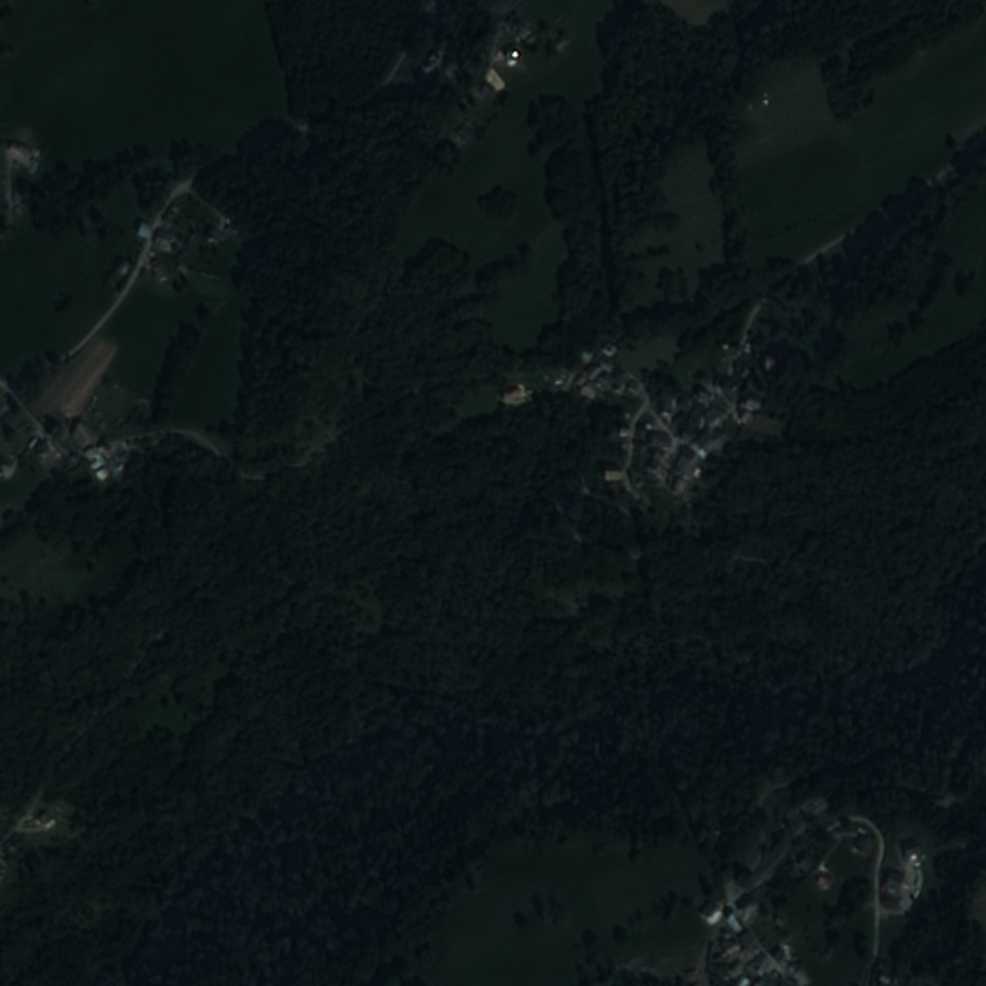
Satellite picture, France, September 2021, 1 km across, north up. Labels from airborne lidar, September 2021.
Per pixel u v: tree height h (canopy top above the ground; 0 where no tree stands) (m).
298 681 25
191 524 30
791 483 20
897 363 0
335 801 33
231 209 12
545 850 19
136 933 15
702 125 20
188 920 33
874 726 23
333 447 12
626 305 19
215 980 32
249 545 30
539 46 7
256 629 17
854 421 6
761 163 0
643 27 29
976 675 29
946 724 23
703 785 19
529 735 29
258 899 32
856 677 21
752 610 29
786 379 24
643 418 0
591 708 29
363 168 19
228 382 0
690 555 33
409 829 33
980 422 28
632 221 17
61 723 19
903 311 15
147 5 0
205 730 16
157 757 7
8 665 22
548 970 0
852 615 29
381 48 13
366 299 13
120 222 0
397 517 6
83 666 27
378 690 25
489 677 14
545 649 13
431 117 19
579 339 10
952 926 13
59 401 0
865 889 11
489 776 23
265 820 7
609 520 17
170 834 26
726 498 24
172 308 0
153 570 12
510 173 0
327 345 24
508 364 24
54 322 0
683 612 25
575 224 19
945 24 8
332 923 12
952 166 6
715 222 0
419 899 21
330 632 15
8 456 0
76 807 9
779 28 24
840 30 21
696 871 0
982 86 0
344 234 20
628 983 0
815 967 0
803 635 22
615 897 0
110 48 0
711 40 21
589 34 0
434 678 27
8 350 0
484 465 25
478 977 0
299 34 11
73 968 17
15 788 17
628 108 26
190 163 20
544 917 17
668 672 31
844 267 0
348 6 12
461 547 31
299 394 22
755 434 0
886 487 23
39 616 10
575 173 24
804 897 0
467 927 0
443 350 24
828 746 27
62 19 0
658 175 18
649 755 24
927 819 12
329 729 13
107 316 0
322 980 28
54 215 22
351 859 23
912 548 29
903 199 0
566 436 30
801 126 0
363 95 14
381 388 25
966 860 6
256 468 13
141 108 0
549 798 32
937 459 22
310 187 26
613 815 20
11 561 0
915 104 0
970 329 0
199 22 0
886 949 0
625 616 24
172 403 10
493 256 0
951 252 0
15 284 0
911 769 25
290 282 26
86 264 0
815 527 29
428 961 20
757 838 14
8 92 0
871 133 0
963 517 34
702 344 13
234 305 0
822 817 0
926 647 26
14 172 0
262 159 29
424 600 24
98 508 25
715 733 27
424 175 19
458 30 21
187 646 25
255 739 23
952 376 12
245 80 0
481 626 28
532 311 0
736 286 28
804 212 0
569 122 20
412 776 36
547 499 7
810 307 18
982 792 7
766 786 22
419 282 25
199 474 18
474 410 0
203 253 6
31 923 9
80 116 0
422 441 22
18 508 0
